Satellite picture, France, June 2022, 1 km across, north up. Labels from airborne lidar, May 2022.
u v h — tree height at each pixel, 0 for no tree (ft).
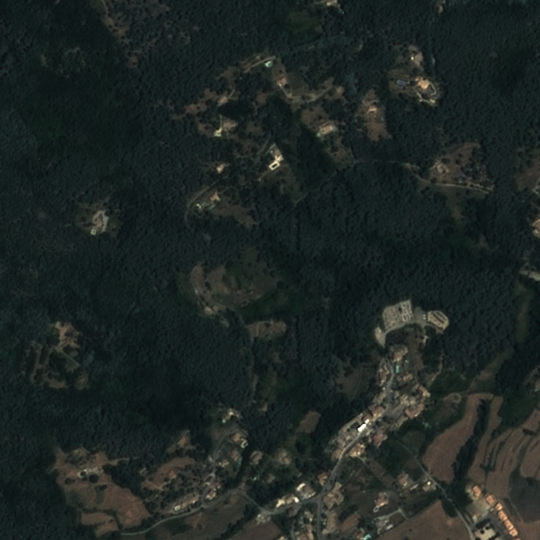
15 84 62
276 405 57
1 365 49
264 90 32
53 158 36
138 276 76
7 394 75
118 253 72
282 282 27
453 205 0
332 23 55
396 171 57
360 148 65
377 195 59
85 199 75
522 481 0
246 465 33
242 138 42
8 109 49
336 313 51
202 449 41
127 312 44
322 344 88
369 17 49
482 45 58
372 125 0
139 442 65
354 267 25
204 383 77
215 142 58
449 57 69
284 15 23
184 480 48
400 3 56
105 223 0
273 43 68
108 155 38
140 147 76
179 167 65
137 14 40
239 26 63
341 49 57
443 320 0
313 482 35
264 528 0
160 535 0
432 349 28
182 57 59
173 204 63
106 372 52
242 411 63
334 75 50
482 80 73
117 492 0
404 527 0
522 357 58
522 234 63
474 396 0
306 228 52
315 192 24
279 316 52
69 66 48
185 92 64
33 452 46
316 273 73
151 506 51
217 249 73
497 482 0
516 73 59
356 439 0
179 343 72
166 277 72
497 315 79
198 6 76
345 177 76
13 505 51
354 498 0
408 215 62
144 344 40
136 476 58
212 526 0
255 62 21
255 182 30
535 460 0
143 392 40
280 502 0
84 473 24
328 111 56
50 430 38
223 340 53
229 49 53
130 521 0
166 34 66
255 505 24
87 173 73
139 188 38
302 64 46
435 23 68
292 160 40
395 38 54
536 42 69
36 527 44
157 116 74
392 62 60
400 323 0
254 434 52
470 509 0
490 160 72
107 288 56
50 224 28
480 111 72
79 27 54
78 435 39
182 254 73
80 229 24
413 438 0
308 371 62
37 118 35
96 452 23
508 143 81
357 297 37
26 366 26
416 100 31
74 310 28
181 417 67
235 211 0
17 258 41
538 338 60
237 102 28
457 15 53
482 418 27
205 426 71
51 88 54
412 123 82
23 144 52
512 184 55
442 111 70
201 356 81
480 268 35
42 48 55
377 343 19
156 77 59
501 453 0
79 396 30
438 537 0
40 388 37
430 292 81
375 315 64
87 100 44
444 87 41
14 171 38
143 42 58
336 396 71
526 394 0
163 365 45
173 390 54
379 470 0
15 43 47
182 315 80
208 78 73
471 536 0
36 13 35
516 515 0
